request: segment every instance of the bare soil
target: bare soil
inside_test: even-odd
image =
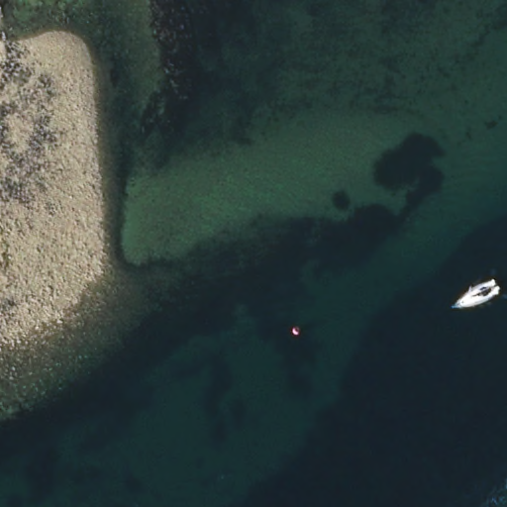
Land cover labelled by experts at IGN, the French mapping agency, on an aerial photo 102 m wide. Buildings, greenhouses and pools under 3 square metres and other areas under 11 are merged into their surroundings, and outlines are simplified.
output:
[[[97,277],[101,277],[103,259],[107,257],[107,253],[103,230],[103,192],[97,154],[97,107],[91,53],[81,38],[69,32],[44,32],[26,40],[0,38],[0,343],[16,345],[20,343],[20,335],[26,337],[32,329],[40,331],[40,327],[48,321],[61,323],[65,309],[79,303],[79,297],[87,283],[93,283]]]

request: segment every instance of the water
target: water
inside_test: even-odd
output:
[[[79,297],[79,303],[65,309],[61,323],[48,321],[40,327],[40,331],[32,329],[26,337],[20,335],[20,343],[16,345],[0,343],[0,507],[507,507],[507,0],[0,0],[0,38],[26,40],[44,32],[69,32],[81,38],[91,53],[97,107],[97,154],[103,192],[103,230],[107,253],[107,257],[103,259],[101,277],[97,277],[93,283],[87,283]]]

